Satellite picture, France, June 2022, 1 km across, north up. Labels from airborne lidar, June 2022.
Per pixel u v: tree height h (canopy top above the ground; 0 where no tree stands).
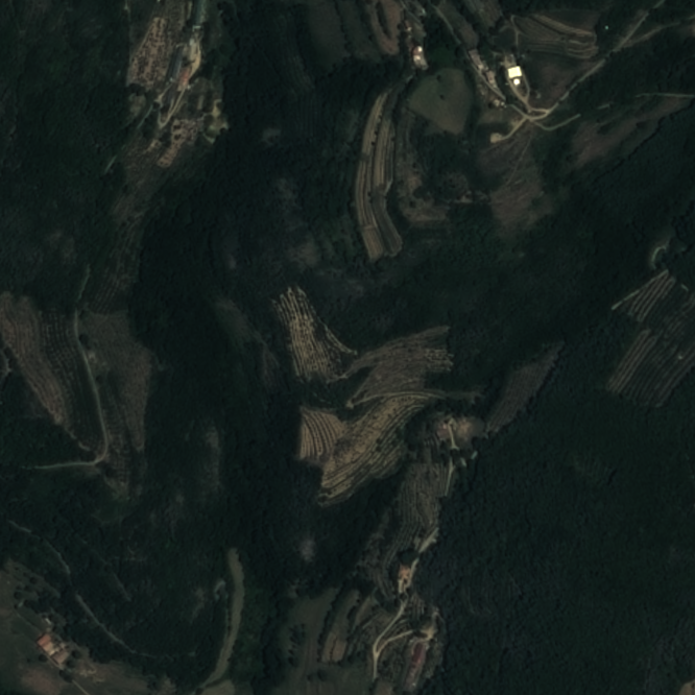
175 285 21
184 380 18
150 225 7
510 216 0
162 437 13
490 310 10
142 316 16
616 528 9
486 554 16
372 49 0
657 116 0
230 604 11
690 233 17
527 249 10
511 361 14
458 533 13
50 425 10
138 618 8
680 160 22
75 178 17
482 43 7
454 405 19
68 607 14
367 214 0
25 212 13
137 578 10
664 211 25
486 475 16
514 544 7
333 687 0
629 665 8
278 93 8
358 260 12
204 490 6
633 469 16
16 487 15
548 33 0
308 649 0
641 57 13
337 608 12
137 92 15
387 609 8
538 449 11
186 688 19
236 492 19
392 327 8
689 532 15
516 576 10
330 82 16
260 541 23
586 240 6
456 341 17
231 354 7
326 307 12
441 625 9
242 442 18
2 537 15
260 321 6
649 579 12
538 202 7
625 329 17
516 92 0
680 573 10
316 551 7
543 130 0
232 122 17
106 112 21
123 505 0
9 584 0
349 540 10
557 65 0
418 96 0
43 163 20
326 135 10
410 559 16
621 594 12
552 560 16
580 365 15
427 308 10
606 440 19
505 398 14
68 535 11
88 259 18
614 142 0
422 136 8
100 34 8
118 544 9
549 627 17
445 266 6
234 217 6
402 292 12
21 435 8
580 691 19
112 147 16
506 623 7
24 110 11
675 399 11
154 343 15
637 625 8
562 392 13
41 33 6
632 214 25
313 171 12
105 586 12
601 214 15
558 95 0
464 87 0
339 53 0
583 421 19
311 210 9
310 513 9
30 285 12
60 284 14
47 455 15
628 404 17
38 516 14
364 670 0
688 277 15
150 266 23
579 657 18
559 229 14
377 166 0
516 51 11
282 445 18
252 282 7
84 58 11
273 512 12
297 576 21
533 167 0
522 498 15
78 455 8
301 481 11
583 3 8
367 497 16
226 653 0
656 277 10
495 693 16
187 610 7
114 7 8
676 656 19
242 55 21
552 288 9
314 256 0
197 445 13
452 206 8
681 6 8
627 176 15
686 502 8
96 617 8
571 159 12
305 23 7
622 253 17
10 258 12
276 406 11
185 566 14
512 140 0
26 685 0
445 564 13
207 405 10
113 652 20
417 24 0
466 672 19
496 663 6
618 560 14
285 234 6
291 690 0
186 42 0
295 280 7
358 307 8
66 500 11
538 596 19
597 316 12
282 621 21
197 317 15
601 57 10
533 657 19
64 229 7
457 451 7
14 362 12
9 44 17
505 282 8
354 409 6
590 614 14
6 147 6
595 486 19
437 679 13
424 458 7
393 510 6
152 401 11
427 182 9
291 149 7
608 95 9
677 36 8
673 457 12
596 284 17
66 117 19
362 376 10
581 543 19
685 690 0
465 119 0
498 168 0
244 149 23
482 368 11
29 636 0
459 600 7
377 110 0
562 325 18
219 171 13
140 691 0
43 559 6
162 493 13
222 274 9
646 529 8
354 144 10
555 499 17
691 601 17
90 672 0
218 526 16
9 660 0
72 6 7
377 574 0
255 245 9
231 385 19
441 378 10
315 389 9
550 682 16
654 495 12
